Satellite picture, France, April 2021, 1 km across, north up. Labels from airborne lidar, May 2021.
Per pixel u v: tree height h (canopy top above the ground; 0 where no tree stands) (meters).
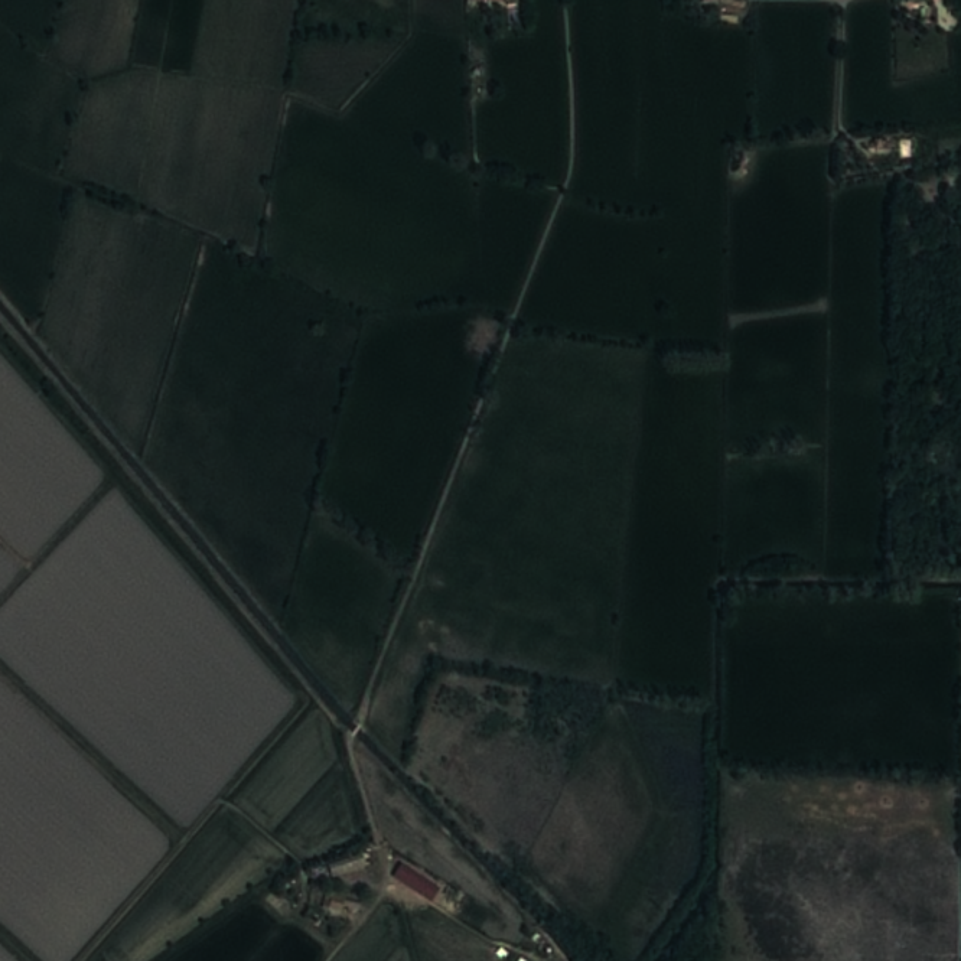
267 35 0
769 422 0
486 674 12
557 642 0
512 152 0
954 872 0
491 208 0
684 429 0
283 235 0
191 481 0
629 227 0
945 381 12
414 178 0
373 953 0
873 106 0
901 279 20
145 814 0
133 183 0
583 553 0
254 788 0
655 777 0
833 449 0
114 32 0
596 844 0
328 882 16
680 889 0
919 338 21
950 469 7
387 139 0
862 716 0
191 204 0
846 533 0
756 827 0
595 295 0
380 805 0
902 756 0
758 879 0
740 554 0
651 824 0
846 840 0
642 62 0
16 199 0
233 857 0
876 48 0
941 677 0
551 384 0
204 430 0
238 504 0
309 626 0
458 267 0
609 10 0
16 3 0
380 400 0
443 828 0
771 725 0
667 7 6
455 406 0
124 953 0
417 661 0
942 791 0
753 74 0
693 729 0
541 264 0
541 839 0
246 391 0
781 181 0
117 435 0
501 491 0
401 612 0
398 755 0
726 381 0
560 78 0
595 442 0
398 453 0
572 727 11
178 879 0
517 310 0
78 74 0
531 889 12
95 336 0
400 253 0
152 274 0
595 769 0
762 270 0
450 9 0
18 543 0
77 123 13
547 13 0
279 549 0
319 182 0
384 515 0
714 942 18
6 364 0
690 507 0
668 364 28
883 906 0
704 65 0
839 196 0
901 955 0
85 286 0
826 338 0
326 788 0
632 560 0
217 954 0
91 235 0
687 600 0
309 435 0
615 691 8
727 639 0
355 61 0
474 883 0
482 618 0
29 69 0
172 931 0
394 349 0
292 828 0
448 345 0
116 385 0
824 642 0
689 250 0
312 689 0
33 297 0
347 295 0
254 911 0
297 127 0
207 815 0
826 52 0
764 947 0
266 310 0
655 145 0
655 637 0
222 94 0
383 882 0
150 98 0
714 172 0
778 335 0
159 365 0
